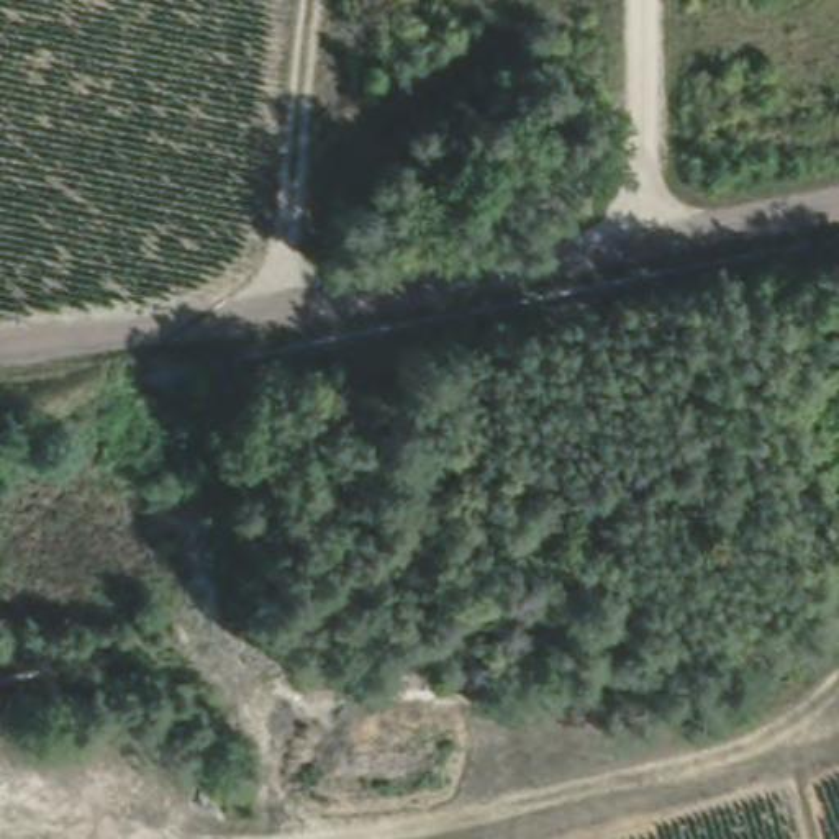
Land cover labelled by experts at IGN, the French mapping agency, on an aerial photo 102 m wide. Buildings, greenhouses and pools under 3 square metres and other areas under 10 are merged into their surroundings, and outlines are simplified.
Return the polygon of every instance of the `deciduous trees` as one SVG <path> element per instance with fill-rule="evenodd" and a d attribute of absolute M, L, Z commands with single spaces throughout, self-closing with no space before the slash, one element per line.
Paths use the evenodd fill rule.
<path fill-rule="evenodd" d="M 839 187 L 839 69 L 823 85 L 787 85 L 783 66 L 767 66 L 767 56 L 757 46 L 741 46 L 724 56 L 695 52 L 688 66 L 678 66 L 665 79 L 665 184 L 682 203 L 692 206 L 734 206 L 744 197 L 757 193 Z"/>
<path fill-rule="evenodd" d="M 557 243 L 574 239 L 583 220 L 606 213 L 610 200 L 619 190 L 636 190 L 636 174 L 629 170 L 633 147 L 626 144 L 633 121 L 626 108 L 603 102 L 593 79 L 583 75 L 593 62 L 596 43 L 590 43 L 593 29 L 583 29 L 583 20 L 590 13 L 583 3 L 570 3 L 567 23 L 551 23 L 534 7 L 518 0 L 324 0 L 324 20 L 318 36 L 321 56 L 311 95 L 328 108 L 331 118 L 347 118 L 354 128 L 338 141 L 334 154 L 321 154 L 318 167 L 311 167 L 305 180 L 302 210 L 328 223 L 328 233 L 318 243 L 321 256 L 311 262 L 305 288 L 298 305 L 318 318 L 367 311 L 374 308 L 374 298 L 380 292 L 390 292 L 393 285 L 426 272 L 495 272 L 518 279 L 544 279 L 557 272 Z"/>
<path fill-rule="evenodd" d="M 246 574 L 262 570 L 262 554 L 256 541 L 239 534 L 243 495 L 252 485 L 285 472 L 285 452 L 292 446 L 302 446 L 305 439 L 321 436 L 328 429 L 328 420 L 341 416 L 344 406 L 361 410 L 370 397 L 390 400 L 400 361 L 410 341 L 403 334 L 390 334 L 380 338 L 370 354 L 344 354 L 324 347 L 318 354 L 295 354 L 292 361 L 275 357 L 265 377 L 243 354 L 216 354 L 213 361 L 197 361 L 180 374 L 177 364 L 161 370 L 144 357 L 134 364 L 128 347 L 56 357 L 26 367 L 0 367 L 0 501 L 20 501 L 23 482 L 69 485 L 79 475 L 108 478 L 111 472 L 118 472 L 131 482 L 131 528 L 138 544 L 151 547 L 184 590 L 193 577 L 210 577 L 216 596 L 226 596 L 233 603 L 236 583 Z"/>
<path fill-rule="evenodd" d="M 16 767 L 46 773 L 56 787 L 69 790 L 85 787 L 88 767 L 111 770 L 125 760 L 128 770 L 134 770 L 144 780 L 141 800 L 131 803 L 131 816 L 138 823 L 157 829 L 167 823 L 170 813 L 184 810 L 187 836 L 220 839 L 236 839 L 279 832 L 285 823 L 282 806 L 256 803 L 256 741 L 226 721 L 223 708 L 213 705 L 213 685 L 187 665 L 180 649 L 164 642 L 174 636 L 174 610 L 147 606 L 147 613 L 141 613 L 128 629 L 92 633 L 85 626 L 75 626 L 62 639 L 43 639 L 36 619 L 26 619 L 23 629 L 10 636 L 10 626 L 0 619 L 0 764 L 10 760 Z"/>

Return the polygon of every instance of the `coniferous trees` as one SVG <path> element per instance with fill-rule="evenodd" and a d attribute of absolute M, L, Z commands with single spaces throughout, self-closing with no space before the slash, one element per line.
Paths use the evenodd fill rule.
<path fill-rule="evenodd" d="M 787 705 L 796 705 L 819 678 L 826 678 L 839 665 L 839 279 L 810 282 L 787 305 L 787 311 L 780 311 L 773 302 L 770 279 L 764 279 L 760 288 L 741 288 L 741 282 L 734 282 L 731 272 L 718 269 L 718 292 L 695 292 L 692 298 L 672 295 L 662 302 L 665 308 L 659 311 L 626 311 L 623 338 L 600 338 L 590 347 L 583 344 L 583 331 L 570 328 L 564 334 L 551 334 L 547 347 L 528 341 L 524 361 L 511 374 L 495 370 L 485 354 L 459 364 L 459 370 L 449 374 L 439 364 L 410 374 L 400 361 L 390 400 L 370 397 L 361 410 L 344 406 L 341 416 L 328 420 L 328 429 L 321 436 L 305 439 L 302 446 L 292 446 L 285 452 L 285 472 L 252 485 L 243 495 L 239 534 L 256 541 L 262 554 L 262 570 L 246 574 L 236 583 L 233 603 L 226 596 L 216 596 L 210 577 L 193 577 L 184 590 L 193 600 L 193 606 L 206 613 L 206 619 L 220 623 L 226 633 L 239 636 L 243 642 L 279 662 L 285 682 L 295 692 L 328 688 L 364 705 L 367 714 L 390 708 L 393 695 L 423 705 L 442 705 L 442 695 L 462 695 L 472 701 L 475 714 L 492 718 L 501 728 L 524 721 L 528 728 L 544 731 L 551 721 L 560 718 L 560 724 L 570 728 L 596 724 L 610 741 L 626 744 L 646 734 L 649 724 L 662 721 L 669 731 L 682 734 L 688 747 L 708 747 L 757 728 L 764 718 L 780 714 Z"/>

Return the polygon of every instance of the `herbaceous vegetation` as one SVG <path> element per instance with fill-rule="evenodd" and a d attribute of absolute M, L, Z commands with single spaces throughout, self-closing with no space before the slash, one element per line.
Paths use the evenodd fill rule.
<path fill-rule="evenodd" d="M 174 636 L 164 642 L 180 649 L 187 665 L 213 685 L 213 705 L 223 708 L 226 721 L 256 741 L 256 803 L 282 806 L 285 823 L 279 832 L 302 832 L 311 819 L 344 826 L 413 813 L 439 813 L 524 787 L 544 787 L 554 780 L 587 777 L 619 764 L 682 754 L 688 747 L 682 734 L 669 731 L 662 721 L 649 724 L 646 734 L 626 744 L 610 741 L 596 724 L 570 728 L 560 724 L 560 718 L 551 721 L 544 731 L 528 728 L 524 721 L 501 728 L 492 718 L 475 714 L 472 701 L 462 695 L 442 695 L 442 705 L 423 705 L 393 695 L 390 708 L 367 714 L 364 705 L 328 688 L 295 692 L 285 682 L 279 662 L 243 642 L 239 636 L 226 633 L 220 623 L 206 619 L 206 613 L 193 606 L 193 600 L 184 590 L 151 547 L 138 544 L 131 528 L 131 482 L 118 472 L 111 472 L 108 478 L 79 475 L 69 485 L 23 482 L 20 501 L 0 501 L 0 619 L 10 626 L 10 636 L 23 629 L 26 619 L 36 619 L 43 639 L 62 639 L 75 626 L 85 626 L 92 633 L 128 629 L 141 613 L 147 613 L 147 606 L 174 610 Z"/>
<path fill-rule="evenodd" d="M 714 793 L 728 793 L 764 777 L 793 777 L 800 806 L 810 810 L 810 796 L 819 793 L 826 780 L 839 777 L 839 734 L 810 744 L 787 744 L 711 777 L 596 793 L 587 800 L 508 816 L 498 823 L 482 823 L 472 829 L 436 832 L 423 839 L 554 839 L 574 829 L 606 826 L 619 816 L 652 813 L 705 800 Z"/>
<path fill-rule="evenodd" d="M 823 85 L 839 69 L 839 0 L 662 0 L 665 79 L 678 66 L 688 66 L 695 52 L 724 56 L 741 46 L 757 46 L 767 56 L 767 66 L 783 66 L 787 85 Z"/>
<path fill-rule="evenodd" d="M 583 75 L 593 79 L 603 102 L 626 108 L 626 0 L 518 0 L 534 7 L 551 23 L 567 23 L 570 3 L 583 3 L 590 13 L 583 20 L 583 29 L 593 29 L 590 43 L 596 43 L 593 62 Z"/>

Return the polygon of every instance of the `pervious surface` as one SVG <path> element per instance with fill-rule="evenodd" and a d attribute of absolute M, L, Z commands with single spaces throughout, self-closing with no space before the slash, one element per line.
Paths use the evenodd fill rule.
<path fill-rule="evenodd" d="M 626 108 L 633 121 L 626 144 L 633 147 L 629 170 L 636 174 L 636 190 L 619 190 L 610 200 L 606 213 L 616 216 L 623 226 L 642 220 L 652 226 L 678 229 L 688 220 L 692 206 L 682 203 L 665 184 L 665 79 L 662 0 L 626 0 Z"/>
<path fill-rule="evenodd" d="M 111 770 L 88 767 L 85 787 L 69 790 L 56 787 L 46 773 L 16 767 L 10 760 L 0 764 L 0 839 L 220 839 L 187 836 L 184 810 L 170 813 L 167 823 L 157 829 L 138 823 L 131 816 L 131 803 L 141 800 L 144 780 L 134 770 L 128 770 L 125 760 Z"/>
<path fill-rule="evenodd" d="M 243 210 L 252 220 L 252 229 L 259 236 L 269 236 L 272 243 L 265 249 L 259 275 L 252 279 L 252 285 L 239 288 L 239 298 L 249 302 L 272 292 L 305 288 L 311 262 L 321 256 L 318 243 L 328 233 L 328 223 L 302 210 L 305 180 L 311 167 L 318 167 L 321 154 L 334 154 L 338 141 L 354 128 L 347 118 L 331 118 L 328 108 L 311 95 L 321 56 L 318 36 L 324 20 L 324 0 L 292 0 L 292 95 L 275 95 L 272 111 L 279 131 L 256 128 L 246 134 L 246 187 L 239 193 Z"/>
<path fill-rule="evenodd" d="M 279 832 L 236 839 L 423 839 L 436 832 L 472 829 L 482 823 L 498 823 L 508 816 L 587 800 L 596 793 L 711 777 L 787 744 L 810 744 L 839 734 L 839 665 L 826 678 L 819 678 L 796 705 L 787 705 L 780 714 L 764 718 L 757 728 L 708 747 L 688 747 L 682 754 L 619 764 L 587 777 L 554 780 L 544 787 L 524 787 L 439 813 L 413 813 L 344 826 L 311 819 L 302 832 Z"/>

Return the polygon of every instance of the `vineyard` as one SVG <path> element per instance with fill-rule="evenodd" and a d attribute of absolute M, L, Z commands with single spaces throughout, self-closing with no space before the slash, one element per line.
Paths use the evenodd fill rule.
<path fill-rule="evenodd" d="M 714 793 L 705 800 L 652 813 L 619 816 L 606 826 L 574 829 L 554 839 L 839 839 L 839 777 L 826 780 L 819 793 L 810 796 L 810 810 L 800 806 L 793 777 L 764 777 L 728 793 Z"/>
<path fill-rule="evenodd" d="M 243 210 L 239 193 L 246 187 L 246 134 L 256 128 L 279 131 L 272 111 L 275 95 L 292 95 L 292 0 L 0 0 L 0 318 L 79 308 L 85 318 L 115 318 L 128 331 L 154 331 L 157 318 L 174 315 L 177 308 L 236 315 L 252 324 L 288 324 L 298 305 L 305 288 L 272 292 L 249 302 L 239 298 L 239 288 L 252 285 L 252 279 L 259 275 L 265 249 L 272 243 L 269 236 L 259 236 L 252 229 L 252 220 Z"/>

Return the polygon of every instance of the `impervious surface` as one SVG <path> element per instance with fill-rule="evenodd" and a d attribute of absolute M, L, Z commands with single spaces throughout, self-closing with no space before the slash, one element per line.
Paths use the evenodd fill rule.
<path fill-rule="evenodd" d="M 295 354 L 318 354 L 324 347 L 344 354 L 370 354 L 380 338 L 390 334 L 403 334 L 410 341 L 400 361 L 410 374 L 439 364 L 449 374 L 459 370 L 459 364 L 485 354 L 495 370 L 511 374 L 524 361 L 528 341 L 547 347 L 551 334 L 564 334 L 570 328 L 583 331 L 583 344 L 590 347 L 600 338 L 623 338 L 626 311 L 659 311 L 665 308 L 662 302 L 672 295 L 692 298 L 695 292 L 718 292 L 718 269 L 731 272 L 734 282 L 741 282 L 741 288 L 760 288 L 764 279 L 770 279 L 773 302 L 780 311 L 787 311 L 787 305 L 810 282 L 839 279 L 839 187 L 757 193 L 744 197 L 734 206 L 692 206 L 688 220 L 678 229 L 652 226 L 642 220 L 623 226 L 616 216 L 606 213 L 583 220 L 574 239 L 557 243 L 557 272 L 544 279 L 518 279 L 495 272 L 426 272 L 393 285 L 390 292 L 380 292 L 374 298 L 374 308 L 367 311 L 318 318 L 298 305 L 288 324 L 252 324 L 236 315 L 177 308 L 174 315 L 157 318 L 154 331 L 128 331 L 115 318 L 85 318 L 79 308 L 0 318 L 0 367 L 26 367 L 56 357 L 128 347 L 134 364 L 144 357 L 161 370 L 177 364 L 180 374 L 197 361 L 213 361 L 216 354 L 243 354 L 265 377 L 275 357 L 292 361 Z"/>

